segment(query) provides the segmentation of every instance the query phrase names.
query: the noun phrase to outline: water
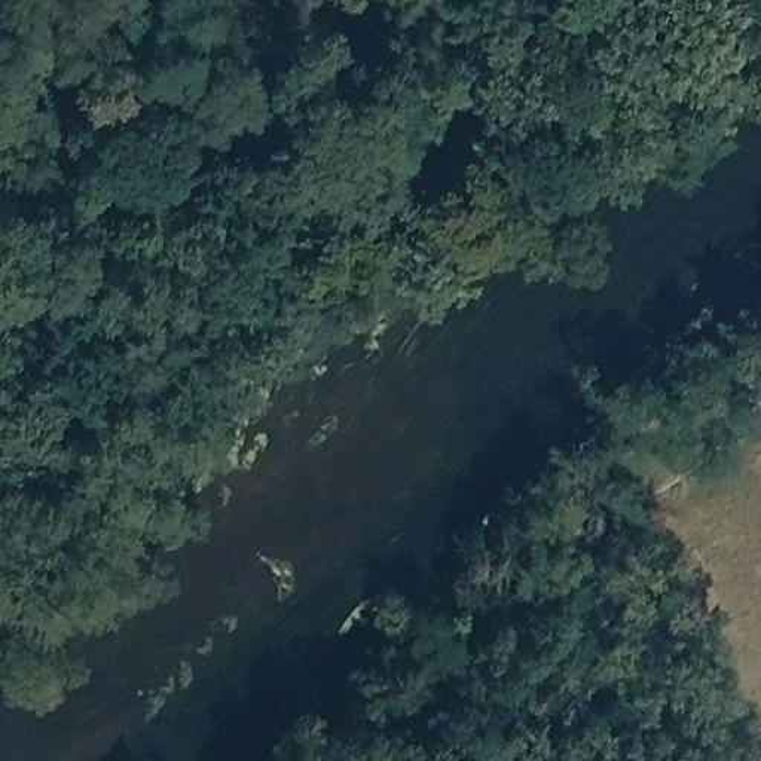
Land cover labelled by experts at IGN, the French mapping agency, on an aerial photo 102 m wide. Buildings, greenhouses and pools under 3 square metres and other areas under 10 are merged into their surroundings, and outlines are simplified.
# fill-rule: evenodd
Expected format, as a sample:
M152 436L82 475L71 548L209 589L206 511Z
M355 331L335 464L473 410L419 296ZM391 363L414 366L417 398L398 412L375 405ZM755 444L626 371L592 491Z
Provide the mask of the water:
M719 324L734 324L740 318L740 309L761 309L761 125L737 122L734 155L707 169L702 187L693 193L678 193L660 181L648 181L645 199L636 208L618 208L606 199L598 202L598 223L609 235L609 276L603 288L571 288L547 279L526 282L517 271L488 276L485 294L479 300L470 300L464 309L449 309L443 324L425 324L416 318L416 312L401 312L381 336L360 333L351 345L336 348L327 357L306 360L303 381L271 392L268 410L244 428L244 437L256 440L256 434L265 434L268 446L262 455L256 455L250 470L235 470L217 473L202 490L196 490L193 482L184 485L184 508L193 514L208 514L211 520L211 532L205 541L184 544L181 550L166 550L155 541L146 544L149 559L155 559L163 568L172 568L181 586L178 598L163 606L125 615L116 630L68 636L56 648L56 657L65 666L71 666L74 657L86 663L89 684L65 690L59 705L48 713L12 707L0 690L0 761L273 761L273 749L288 734L306 731L315 722L342 725L345 716L357 716L366 710L363 693L351 684L351 672L369 672L383 657L386 633L375 627L375 621L383 612L386 598L404 598L410 609L434 615L446 603L446 598L455 595L455 583L473 568L458 553L458 538L473 535L482 517L499 514L508 523L505 499L520 493L523 488L538 485L541 476L559 476L562 467L550 455L562 452L571 461L577 446L592 437L592 407L586 404L580 389L589 372L598 372L598 389L609 398L615 398L621 386L654 386L666 372L669 360L681 348L716 345ZM146 705L137 702L137 690L163 687L169 675L181 672L181 663L190 666L193 684L181 693L172 693L161 713L149 719Z

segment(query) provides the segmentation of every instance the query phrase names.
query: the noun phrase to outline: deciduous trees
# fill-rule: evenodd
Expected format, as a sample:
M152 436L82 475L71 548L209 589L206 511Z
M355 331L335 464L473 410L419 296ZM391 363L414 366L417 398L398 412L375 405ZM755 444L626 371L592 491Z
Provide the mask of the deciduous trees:
M669 360L666 372L654 386L621 386L615 398L609 398L598 389L598 372L589 372L580 389L586 404L592 407L592 437L577 446L571 461L562 452L550 455L562 467L559 476L541 476L538 485L523 488L520 493L505 499L508 523L499 514L482 517L473 535L458 538L458 553L473 568L455 583L455 595L446 598L446 603L434 615L410 609L404 598L386 598L383 612L375 621L375 627L386 633L383 657L369 672L351 672L351 684L363 693L366 710L357 716L345 716L342 725L315 722L306 731L288 734L273 749L273 761L761 761L761 731L749 731L749 725L758 716L758 707L737 690L731 645L722 636L728 618L722 609L707 606L710 577L684 553L684 544L675 532L654 520L654 511L657 485L669 473L693 476L699 482L716 479L716 470L734 455L734 449L761 443L761 309L740 309L740 318L734 324L719 324L716 345L681 348ZM606 553L586 556L583 550L577 550L577 538L583 535L586 511L598 505L612 508L615 538ZM514 630L508 627L499 633L496 645L488 645L479 654L467 654L467 636L473 624L482 618L482 612L511 606L517 598L526 600L529 624L520 624Z
M526 282L547 279L571 288L603 288L609 276L609 235L598 223L598 202L606 199L618 208L636 208L645 199L648 181L660 181L678 193L693 193L702 187L707 169L734 155L737 122L761 125L761 0L381 0L383 21L398 24L395 39L389 42L389 51L383 56L363 54L360 59L354 59L345 36L324 42L321 36L315 36L312 12L321 9L327 0L306 0L303 12L294 12L303 36L297 51L300 65L288 71L285 83L276 92L265 92L262 71L253 56L268 51L268 30L279 12L253 15L247 9L250 0L0 0L0 690L12 707L48 713L59 705L65 690L89 684L86 663L74 657L71 666L65 666L56 657L56 648L68 636L116 630L125 615L163 606L178 598L181 586L172 568L163 568L155 559L149 559L146 544L155 541L166 550L181 550L184 544L205 541L211 532L211 520L208 514L193 514L184 508L184 485L193 482L196 490L202 490L217 473L235 470L244 437L244 428L268 410L271 392L303 381L306 360L327 357L336 348L351 345L360 333L381 336L401 312L416 312L416 318L425 324L443 324L449 309L464 309L470 300L479 300L485 294L488 276L517 271ZM140 39L155 48L155 77L134 74L131 51ZM83 134L59 134L59 119L51 95L68 86L77 89L77 107L92 116L92 125ZM434 205L413 205L410 181L419 175L428 146L440 146L446 140L449 122L461 110L470 110L485 122L482 140L473 143L467 187L455 196L443 196ZM282 119L288 125L294 143L271 158L268 172L247 172L232 166L217 172L199 169L202 149L229 152L235 137L262 134L273 119ZM36 318L48 321L48 330L54 336L54 357L48 360L45 383L30 395L30 404L18 404L18 372L24 372L24 366L36 360ZM59 440L71 422L80 419L83 428L104 428L107 404L119 401L137 401L137 416L131 425L119 425L119 434L113 440L98 443L101 455L62 452ZM27 499L24 482L36 479L39 464L65 473L83 473L83 485L74 488L71 502L51 505L45 499Z

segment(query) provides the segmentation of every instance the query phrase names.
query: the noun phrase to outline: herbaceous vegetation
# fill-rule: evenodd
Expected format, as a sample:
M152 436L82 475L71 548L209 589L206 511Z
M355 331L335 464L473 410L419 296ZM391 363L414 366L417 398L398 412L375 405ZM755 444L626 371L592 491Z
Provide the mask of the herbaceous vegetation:
M181 663L181 672L169 675L163 687L137 690L137 702L146 705L149 719L161 713L172 693L181 693L193 684L190 666Z
M83 485L83 473L65 473L39 464L36 479L24 482L27 499L45 499L51 505L71 502L74 488Z
M155 48L140 39L131 51L134 74L155 77Z
M381 0L327 0L321 9L312 12L315 36L321 36L324 42L345 36L354 59L360 59L363 54L383 56L389 51L389 42L395 39L398 24L383 21Z
M265 92L276 92L285 83L288 71L300 65L297 51L303 36L294 12L303 12L306 0L250 0L247 9L253 15L279 12L268 30L268 51L253 56L262 71Z
M693 476L669 473L657 485L654 511L654 520L675 532L684 544L684 553L710 577L707 606L722 609L728 618L722 636L731 645L737 690L758 707L758 716L749 725L749 731L761 731L761 443L734 449L734 455L716 470L716 479L699 482Z
M577 550L583 550L586 556L606 553L615 538L612 508L598 505L586 511L583 535L577 538Z
M131 425L137 416L137 401L119 401L107 404L104 428L83 428L80 419L71 422L59 440L62 452L101 455L98 443L113 440L119 434L119 425Z
M202 149L199 169L217 172L232 166L247 172L268 172L271 158L294 143L288 125L282 119L273 119L262 134L235 137L229 152Z
M443 196L455 196L467 187L473 143L482 140L485 122L470 110L461 110L449 122L446 140L440 146L428 146L419 175L410 181L413 205L434 205Z
M92 116L77 107L77 89L68 86L51 95L59 119L59 134L83 134L92 125Z
M45 383L48 360L54 357L54 336L48 330L48 321L36 318L36 360L24 366L24 372L18 372L18 404L30 404L30 395Z
M482 612L482 618L473 624L467 636L467 654L479 654L488 645L496 645L499 633L508 627L514 630L520 624L529 624L526 600L517 598L511 606Z

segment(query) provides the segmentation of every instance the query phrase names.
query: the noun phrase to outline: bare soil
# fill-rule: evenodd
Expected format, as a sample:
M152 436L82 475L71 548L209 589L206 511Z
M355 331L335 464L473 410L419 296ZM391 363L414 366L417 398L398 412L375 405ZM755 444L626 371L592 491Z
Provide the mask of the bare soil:
M265 434L256 434L256 440L244 437L235 470L250 470L256 455L262 455L268 446Z

